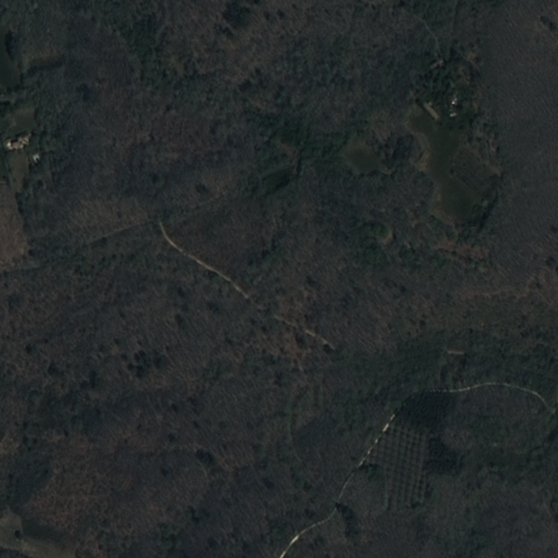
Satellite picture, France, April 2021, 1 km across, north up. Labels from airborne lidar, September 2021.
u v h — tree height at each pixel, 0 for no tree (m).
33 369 11
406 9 18
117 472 8
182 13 18
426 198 15
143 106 11
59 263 17
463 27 10
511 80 18
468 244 19
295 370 10
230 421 16
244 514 19
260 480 17
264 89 15
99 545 12
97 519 10
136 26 12
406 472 15
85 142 20
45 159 15
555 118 16
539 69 17
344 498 16
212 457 15
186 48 16
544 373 17
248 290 15
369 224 19
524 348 14
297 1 15
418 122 0
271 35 20
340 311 15
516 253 18
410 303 16
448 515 19
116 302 8
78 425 22
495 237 17
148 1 9
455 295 17
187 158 18
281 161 16
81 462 10
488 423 21
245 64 19
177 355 14
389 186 22
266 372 14
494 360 15
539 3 17
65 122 15
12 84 0
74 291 9
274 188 9
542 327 14
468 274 15
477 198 0
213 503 15
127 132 7
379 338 17
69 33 16
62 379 12
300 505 20
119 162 15
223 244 7
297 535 16
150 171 12
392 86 14
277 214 20
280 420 20
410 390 19
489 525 13
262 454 20
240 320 16
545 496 19
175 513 18
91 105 23
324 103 20
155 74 20
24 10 19
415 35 19
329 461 14
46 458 6
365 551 11
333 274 19
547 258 15
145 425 11
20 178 0
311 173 18
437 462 16
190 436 14
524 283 14
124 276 7
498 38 15
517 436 17
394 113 13
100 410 17
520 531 13
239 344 10
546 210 19
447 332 13
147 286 17
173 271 13
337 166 15
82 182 12
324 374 20
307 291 18
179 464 14
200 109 17
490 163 13
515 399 16
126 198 16
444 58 9
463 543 22
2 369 13
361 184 16
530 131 16
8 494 9
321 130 20
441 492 17
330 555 10
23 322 10
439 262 22
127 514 11
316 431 16
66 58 14
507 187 17
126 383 13
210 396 17
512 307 15
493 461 11
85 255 20
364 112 19
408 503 12
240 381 16
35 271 11
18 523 0
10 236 0
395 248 21
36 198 17
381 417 15
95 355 16
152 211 12
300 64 20
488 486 21
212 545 11
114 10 21
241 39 17
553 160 14
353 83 9
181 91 21
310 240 22
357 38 11
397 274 17
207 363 10
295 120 20
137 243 11
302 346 26
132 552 12
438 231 17
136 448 7
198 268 23
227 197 14
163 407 11
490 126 13
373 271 17
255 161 18
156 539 18
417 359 19
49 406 7
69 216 20
